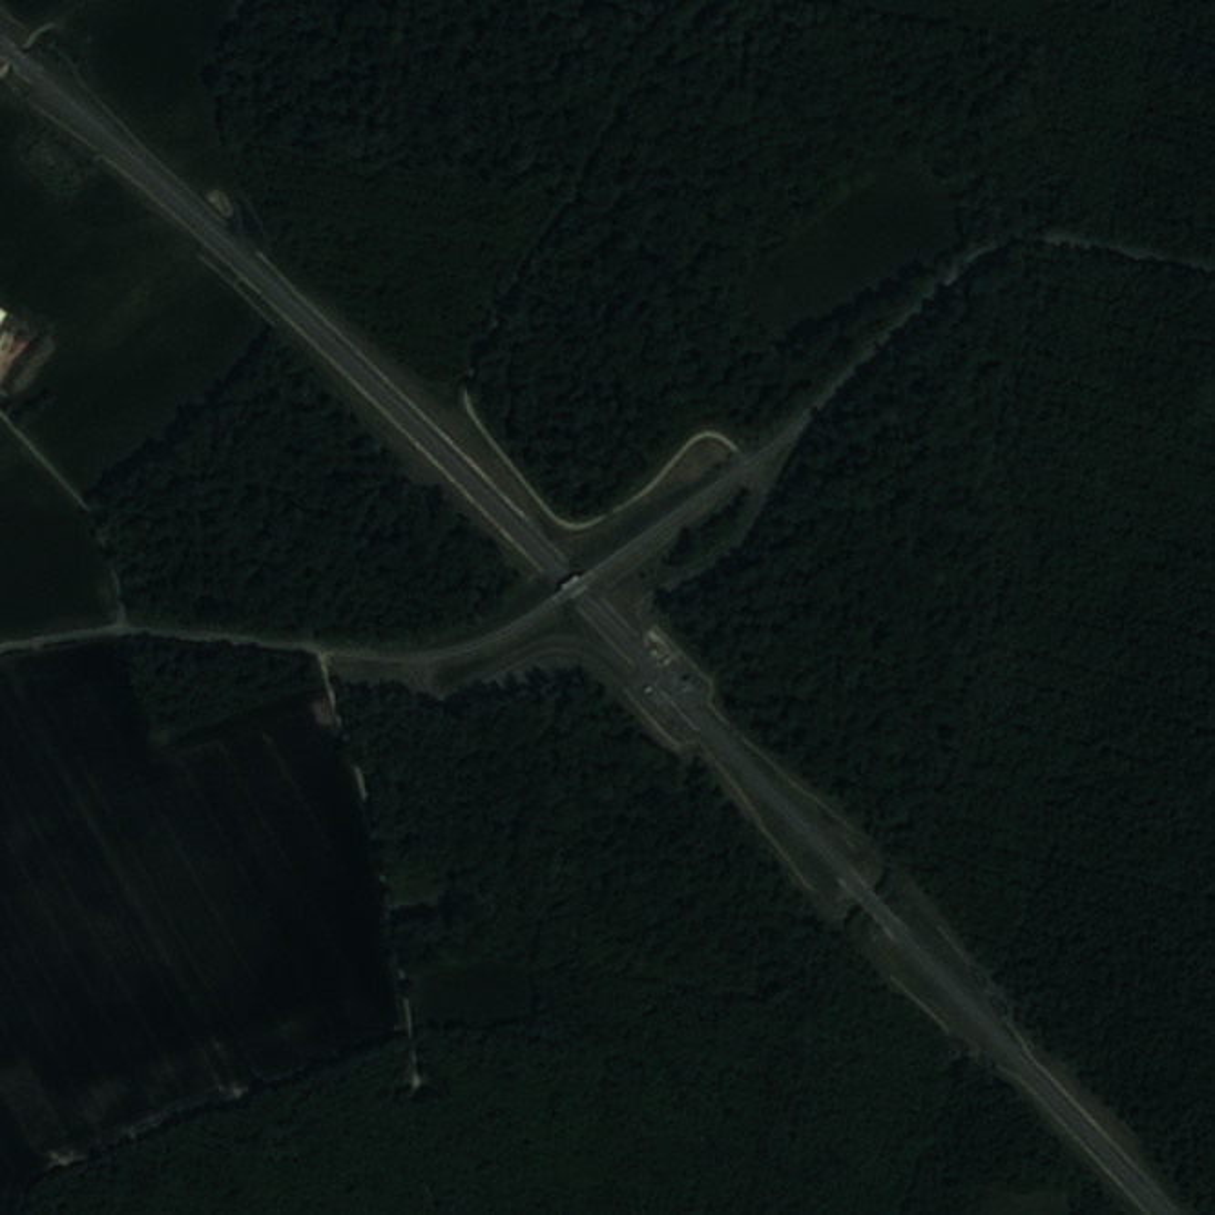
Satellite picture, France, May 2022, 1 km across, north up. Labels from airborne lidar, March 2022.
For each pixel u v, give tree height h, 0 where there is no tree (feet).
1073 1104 0
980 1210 0
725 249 86
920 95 84
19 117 0
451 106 87
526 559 0
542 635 0
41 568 0
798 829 0
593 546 0
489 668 0
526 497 0
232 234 0
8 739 0
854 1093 43
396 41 90
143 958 0
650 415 84
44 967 0
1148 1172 0
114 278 0
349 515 81
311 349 0
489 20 59
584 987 47
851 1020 30
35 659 0
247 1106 48
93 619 0
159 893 0
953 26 65
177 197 0
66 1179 39
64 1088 0
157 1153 41
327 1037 0
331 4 67
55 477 0
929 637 86
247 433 75
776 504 53
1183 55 63
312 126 87
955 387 83
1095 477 50
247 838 0
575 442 81
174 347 0
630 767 87
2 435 0
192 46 0
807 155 87
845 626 88
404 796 79
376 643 39
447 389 0
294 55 74
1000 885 36
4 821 0
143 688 50
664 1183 55
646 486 0
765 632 78
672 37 76
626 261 84
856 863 0
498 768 94
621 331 87
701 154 81
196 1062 0
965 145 87
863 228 0
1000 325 73
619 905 78
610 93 78
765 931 58
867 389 50
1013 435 53
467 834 82
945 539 89
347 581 90
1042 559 19
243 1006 0
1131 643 52
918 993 0
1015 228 76
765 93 92
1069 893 53
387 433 0
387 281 22
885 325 21
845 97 91
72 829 0
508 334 61
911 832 52
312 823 0
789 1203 30
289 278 0
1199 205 54
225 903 0
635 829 90
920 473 78
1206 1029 56
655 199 85
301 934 0
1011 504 53
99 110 0
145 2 0
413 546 94
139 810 0
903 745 80
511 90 94
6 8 0
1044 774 53
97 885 0
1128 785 59
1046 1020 65
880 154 67
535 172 81
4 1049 0
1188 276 49
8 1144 0
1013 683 49
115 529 68
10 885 0
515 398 83
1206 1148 69
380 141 74
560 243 69
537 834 72
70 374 0
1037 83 62
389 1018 0
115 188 0
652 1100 0
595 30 79
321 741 0
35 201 0
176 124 0
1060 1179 51
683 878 75
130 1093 0
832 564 77
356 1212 50
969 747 61
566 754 79
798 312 0
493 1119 51
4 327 0
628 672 0
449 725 83
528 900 79
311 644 0
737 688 75
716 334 83
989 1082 38
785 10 78
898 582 95
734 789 0
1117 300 59
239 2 0
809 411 0
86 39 0
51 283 0
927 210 0
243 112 68
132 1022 0
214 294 0
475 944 76
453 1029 38
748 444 0
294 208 19
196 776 0
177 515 93
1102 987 70
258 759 0
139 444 0
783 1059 43
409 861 68
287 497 54
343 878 0
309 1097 50
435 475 0
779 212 87
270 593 73
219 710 57
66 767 0
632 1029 43
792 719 73
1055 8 53
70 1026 0
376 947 0
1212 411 53
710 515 0
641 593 0
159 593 84
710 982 39
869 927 0
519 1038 50
